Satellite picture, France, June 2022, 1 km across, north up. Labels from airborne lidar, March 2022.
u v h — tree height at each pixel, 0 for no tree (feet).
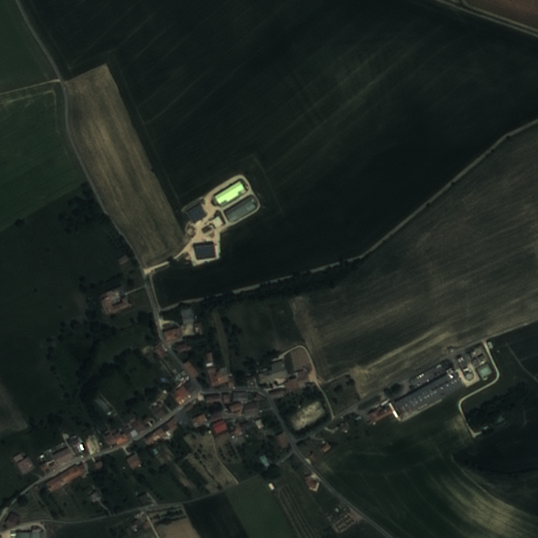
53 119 0
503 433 0
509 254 0
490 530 0
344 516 0
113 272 0
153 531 0
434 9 0
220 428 0
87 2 0
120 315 0
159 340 19
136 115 0
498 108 0
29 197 0
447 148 0
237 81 0
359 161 0
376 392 0
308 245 0
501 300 0
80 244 0
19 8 0
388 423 0
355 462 0
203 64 0
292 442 0
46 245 0
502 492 0
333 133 0
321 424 31
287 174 0
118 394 0
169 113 0
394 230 0
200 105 0
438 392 0
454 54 0
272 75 0
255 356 0
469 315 0
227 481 0
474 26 0
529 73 0
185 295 0
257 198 0
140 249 0
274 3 0
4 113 0
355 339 0
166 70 0
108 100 0
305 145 0
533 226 0
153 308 0
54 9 0
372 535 0
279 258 0
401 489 0
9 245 0
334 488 0
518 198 0
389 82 0
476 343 0
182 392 0
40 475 0
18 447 0
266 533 0
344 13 0
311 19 0
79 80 0
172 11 0
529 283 0
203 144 0
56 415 0
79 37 0
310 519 0
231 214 0
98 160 0
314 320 0
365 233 0
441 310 0
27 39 0
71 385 0
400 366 0
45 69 0
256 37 0
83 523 0
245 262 0
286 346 0
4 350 0
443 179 0
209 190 0
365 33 0
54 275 0
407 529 0
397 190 0
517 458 0
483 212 0
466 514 0
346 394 0
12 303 0
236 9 0
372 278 0
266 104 0
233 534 0
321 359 0
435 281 0
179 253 0
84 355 0
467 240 0
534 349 0
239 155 0
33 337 0
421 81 0
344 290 0
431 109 0
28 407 0
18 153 0
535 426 0
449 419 0
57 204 0
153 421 0
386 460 0
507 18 0
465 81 0
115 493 0
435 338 0
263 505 0
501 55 0
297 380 0
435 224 0
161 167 0
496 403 51
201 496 0
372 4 0
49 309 0
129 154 0
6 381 0
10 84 0
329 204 0
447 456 0
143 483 41
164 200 0
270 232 0
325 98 0
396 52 0
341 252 0
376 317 0
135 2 0
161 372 0
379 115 0
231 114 0
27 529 0
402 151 0
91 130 0
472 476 0
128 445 0
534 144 0
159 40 0
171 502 0
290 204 0
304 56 0
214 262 0
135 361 0
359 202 0
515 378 0
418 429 0
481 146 0
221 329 0
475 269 0
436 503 0
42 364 0
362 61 0
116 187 0
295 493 0
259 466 32
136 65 0
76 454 0
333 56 0
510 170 0
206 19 0
